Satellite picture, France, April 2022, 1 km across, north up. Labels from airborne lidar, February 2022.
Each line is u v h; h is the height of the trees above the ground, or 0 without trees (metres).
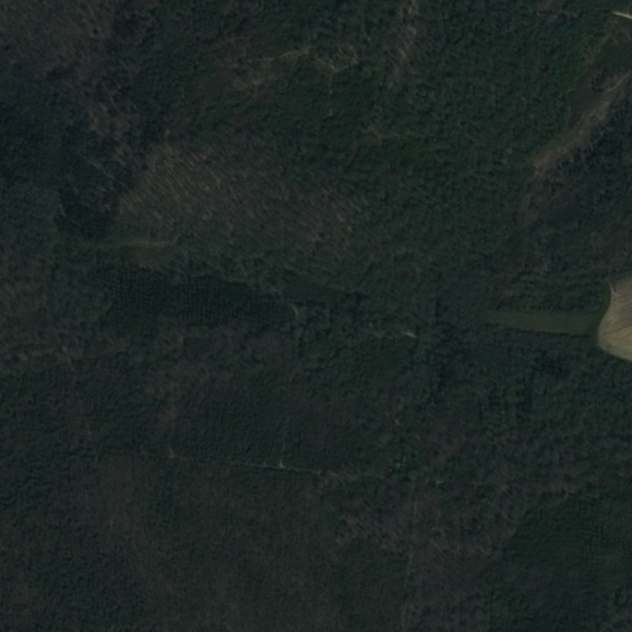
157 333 18
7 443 11
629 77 0
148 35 9
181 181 24
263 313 0
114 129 14
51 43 26
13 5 28
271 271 25
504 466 23
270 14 9
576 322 0
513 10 22
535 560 10
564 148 0
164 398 20
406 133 24
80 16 25
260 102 7
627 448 23
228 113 9
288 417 9
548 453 24
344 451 6
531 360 27
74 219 22
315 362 25
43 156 19
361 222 27
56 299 22
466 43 18
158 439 13
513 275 0
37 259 26
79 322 21
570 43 20
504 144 23
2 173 12
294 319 21
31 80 25
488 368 23
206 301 0
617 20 11
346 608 13
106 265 21
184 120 9
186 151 24
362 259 25
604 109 0
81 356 25
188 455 9
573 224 20
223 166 27
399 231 24
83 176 21
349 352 22
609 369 18
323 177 27
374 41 26
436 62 24
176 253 0
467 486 10
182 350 13
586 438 24
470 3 24
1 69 26
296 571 0
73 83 27
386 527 26
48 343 24
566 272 12
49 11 28
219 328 17
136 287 0
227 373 25
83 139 19
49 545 8
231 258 26
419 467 23
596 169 10
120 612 11
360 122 11
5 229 25
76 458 15
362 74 18
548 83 25
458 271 18
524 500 23
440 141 21
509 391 21
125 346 27
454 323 25
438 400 16
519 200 21
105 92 25
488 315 0
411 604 23
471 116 22
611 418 26
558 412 27
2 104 21
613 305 0
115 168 21
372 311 23
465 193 20
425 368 26
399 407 25
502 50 23
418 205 27
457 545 25
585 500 26
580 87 0
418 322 22
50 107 22
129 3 12
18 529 13
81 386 14
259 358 25
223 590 0
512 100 23
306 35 26
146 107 15
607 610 22
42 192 25
